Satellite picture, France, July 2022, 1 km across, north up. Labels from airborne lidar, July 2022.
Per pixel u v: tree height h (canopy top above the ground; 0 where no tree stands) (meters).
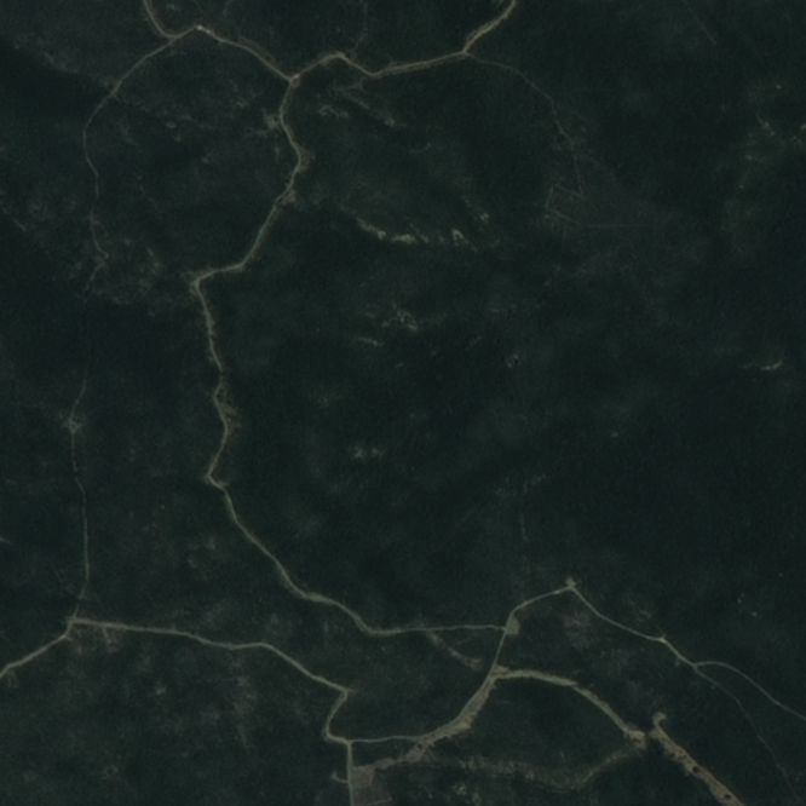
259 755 7
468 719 0
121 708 6
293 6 5
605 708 0
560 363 6
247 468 6
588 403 6
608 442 7
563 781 0
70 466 6
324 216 7
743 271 7
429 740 0
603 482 7
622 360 6
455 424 6
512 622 0
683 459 5
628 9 5
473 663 0
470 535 6
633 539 6
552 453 7
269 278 6
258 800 6
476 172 6
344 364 6
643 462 6
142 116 6
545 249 6
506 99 6
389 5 6
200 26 0
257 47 0
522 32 7
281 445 5
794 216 8
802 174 10
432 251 6
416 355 9
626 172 6
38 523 6
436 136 6
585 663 6
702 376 6
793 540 7
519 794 7
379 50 6
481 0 7
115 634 0
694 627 5
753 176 6
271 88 5
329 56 0
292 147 6
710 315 7
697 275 7
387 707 7
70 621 0
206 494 6
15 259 6
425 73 6
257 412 7
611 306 5
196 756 6
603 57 6
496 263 8
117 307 6
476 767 0
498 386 5
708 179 6
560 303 6
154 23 0
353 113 6
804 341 6
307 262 6
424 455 5
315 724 6
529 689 6
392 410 7
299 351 6
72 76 5
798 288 6
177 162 5
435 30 5
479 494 8
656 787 7
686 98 6
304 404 7
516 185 5
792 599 6
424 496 5
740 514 7
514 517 6
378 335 8
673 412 6
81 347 7
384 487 6
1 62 6
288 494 6
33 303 6
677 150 5
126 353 6
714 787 0
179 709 6
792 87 6
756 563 6
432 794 7
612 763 0
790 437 9
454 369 8
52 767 6
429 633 0
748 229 6
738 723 6
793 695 6
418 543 6
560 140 5
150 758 6
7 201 5
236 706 0
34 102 6
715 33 5
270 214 0
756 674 6
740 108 6
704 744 6
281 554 7
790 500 7
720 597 6
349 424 7
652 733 0
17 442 6
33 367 5
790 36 7
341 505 6
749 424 5
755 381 7
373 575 7
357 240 6
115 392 6
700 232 7
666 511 6
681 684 5
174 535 5
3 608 7
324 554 6
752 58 5
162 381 5
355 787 0
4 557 6
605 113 6
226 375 6
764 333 6
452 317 5
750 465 6
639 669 6
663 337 8
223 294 6
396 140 6
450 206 6
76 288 5
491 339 6
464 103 6
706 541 6
